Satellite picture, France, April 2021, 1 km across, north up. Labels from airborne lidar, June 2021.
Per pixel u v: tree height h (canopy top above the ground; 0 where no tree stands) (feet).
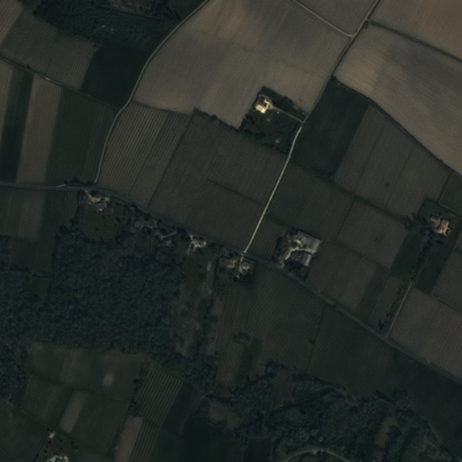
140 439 0
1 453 0
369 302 0
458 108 0
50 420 0
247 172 0
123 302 84
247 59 0
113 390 0
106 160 0
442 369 0
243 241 0
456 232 0
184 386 0
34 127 0
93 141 0
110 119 0
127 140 0
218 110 0
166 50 0
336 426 87
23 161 0
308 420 28
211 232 0
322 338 0
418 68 0
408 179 0
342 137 0
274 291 0
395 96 0
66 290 37
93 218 0
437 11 0
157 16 41
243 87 0
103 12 24
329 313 0
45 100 0
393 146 0
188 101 0
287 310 0
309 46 0
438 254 0
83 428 0
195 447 0
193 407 0
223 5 0
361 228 0
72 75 0
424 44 0
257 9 0
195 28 0
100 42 51
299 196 0
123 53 0
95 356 0
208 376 56
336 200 0
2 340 43
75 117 0
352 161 0
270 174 0
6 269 69
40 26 0
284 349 0
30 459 0
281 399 0
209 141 0
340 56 0
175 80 0
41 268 0
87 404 0
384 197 0
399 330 0
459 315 0
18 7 0
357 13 0
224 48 0
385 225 0
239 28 0
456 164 0
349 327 0
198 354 43
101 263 77
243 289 0
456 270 0
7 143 0
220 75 0
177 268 79
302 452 45
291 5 0
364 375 0
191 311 46
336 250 0
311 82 0
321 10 0
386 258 0
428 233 66
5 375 66
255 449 0
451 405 0
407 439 25
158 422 0
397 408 36
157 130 0
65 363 0
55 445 0
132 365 0
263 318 0
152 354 43
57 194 0
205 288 0
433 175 0
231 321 0
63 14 26
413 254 0
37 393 0
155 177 0
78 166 0
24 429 0
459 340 0
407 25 0
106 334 85
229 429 0
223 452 0
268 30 0
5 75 0
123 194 0
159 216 0
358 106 0
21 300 78
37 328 49
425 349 0
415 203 0
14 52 0
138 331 74
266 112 0
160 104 0
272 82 0
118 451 0
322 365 0
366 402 57
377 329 0
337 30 0
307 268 38
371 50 0
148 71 0
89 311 69
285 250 0
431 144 0
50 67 0
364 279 0
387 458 32
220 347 0
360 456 38
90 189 34
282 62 0
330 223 0
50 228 0
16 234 0
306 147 0
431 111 0
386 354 0
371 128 0
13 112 0
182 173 0
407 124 0
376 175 0
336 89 0
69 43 0
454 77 0
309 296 0
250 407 59
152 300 68
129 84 0
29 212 0
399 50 0
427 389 0
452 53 0
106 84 0
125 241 69
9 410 0
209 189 0
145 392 0
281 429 28
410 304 0
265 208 0
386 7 0
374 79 0
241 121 0
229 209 0
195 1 0
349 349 0
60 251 68
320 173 0
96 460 0
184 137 0
